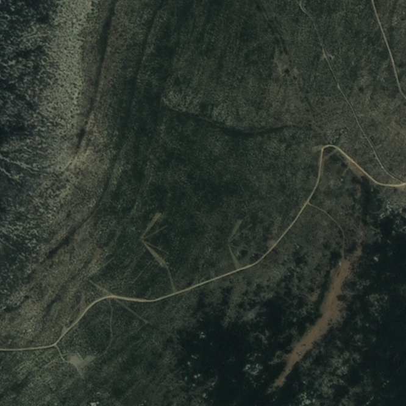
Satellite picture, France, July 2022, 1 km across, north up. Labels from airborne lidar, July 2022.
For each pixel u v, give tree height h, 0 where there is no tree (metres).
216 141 0
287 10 0
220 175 0
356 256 0
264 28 0
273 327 6
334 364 0
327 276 6
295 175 0
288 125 0
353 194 6
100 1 0
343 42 0
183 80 0
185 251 0
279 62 0
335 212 0
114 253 0
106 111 0
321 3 0
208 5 0
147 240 0
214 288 0
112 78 0
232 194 0
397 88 0
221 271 0
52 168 0
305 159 0
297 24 0
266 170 0
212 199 0
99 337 0
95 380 0
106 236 0
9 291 0
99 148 0
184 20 0
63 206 0
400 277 6
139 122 0
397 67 0
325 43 0
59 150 0
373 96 0
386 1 0
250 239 0
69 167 0
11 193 0
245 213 0
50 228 0
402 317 6
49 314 0
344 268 0
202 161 0
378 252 6
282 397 7
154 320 0
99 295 0
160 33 0
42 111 0
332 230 0
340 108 0
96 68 0
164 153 0
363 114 0
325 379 0
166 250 0
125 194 0
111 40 0
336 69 0
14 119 0
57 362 0
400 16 0
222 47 0
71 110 0
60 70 0
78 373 0
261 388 8
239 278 0
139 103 0
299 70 0
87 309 0
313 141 0
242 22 0
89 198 0
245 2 0
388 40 0
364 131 0
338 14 0
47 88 0
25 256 0
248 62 0
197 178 0
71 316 0
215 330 7
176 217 0
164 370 0
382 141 0
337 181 0
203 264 0
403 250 7
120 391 0
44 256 0
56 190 0
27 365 0
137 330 0
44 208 0
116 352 0
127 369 0
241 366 7
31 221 0
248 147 0
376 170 0
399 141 0
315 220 0
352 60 0
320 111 0
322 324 0
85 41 0
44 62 0
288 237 0
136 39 0
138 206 0
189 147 0
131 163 0
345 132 0
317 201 0
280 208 0
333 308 0
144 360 0
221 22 0
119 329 0
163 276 0
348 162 0
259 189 0
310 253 0
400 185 0
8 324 0
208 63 0
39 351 0
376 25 0
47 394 0
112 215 0
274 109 0
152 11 0
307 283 0
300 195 0
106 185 0
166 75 0
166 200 0
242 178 0
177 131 0
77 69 0
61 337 0
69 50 0
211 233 0
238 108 0
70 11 0
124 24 0
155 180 0
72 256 0
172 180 0
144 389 0
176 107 0
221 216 0
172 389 0
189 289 0
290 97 0
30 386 0
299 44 0
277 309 7
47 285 0
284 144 0
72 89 0
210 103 0
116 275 0
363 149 0
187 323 0
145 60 0
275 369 7
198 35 0
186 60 0
